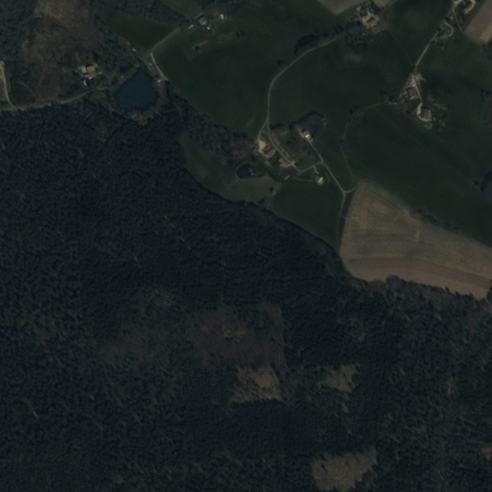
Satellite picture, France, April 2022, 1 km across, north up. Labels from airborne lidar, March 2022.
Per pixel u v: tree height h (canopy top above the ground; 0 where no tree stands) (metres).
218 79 0
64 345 15
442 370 29
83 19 0
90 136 25
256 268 23
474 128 0
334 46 0
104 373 24
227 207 20
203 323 14
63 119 27
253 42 0
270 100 0
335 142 0
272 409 30
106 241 27
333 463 0
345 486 0
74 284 30
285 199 0
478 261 0
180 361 25
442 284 0
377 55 0
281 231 15
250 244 23
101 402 30
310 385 16
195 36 0
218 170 0
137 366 20
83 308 32
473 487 32
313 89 0
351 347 21
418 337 27
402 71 0
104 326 23
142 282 24
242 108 0
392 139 0
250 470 29
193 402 18
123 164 25
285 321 14
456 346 28
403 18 0
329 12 0
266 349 9
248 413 24
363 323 18
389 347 22
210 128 20
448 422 18
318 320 16
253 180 0
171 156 27
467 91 0
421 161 0
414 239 0
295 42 0
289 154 0
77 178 26
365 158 0
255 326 18
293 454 17
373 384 22
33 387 34
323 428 13
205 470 13
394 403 21
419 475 27
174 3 0
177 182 19
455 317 26
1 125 23
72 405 30
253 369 11
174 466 22
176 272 20
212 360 7
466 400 15
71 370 33
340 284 12
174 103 26
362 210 0
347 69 0
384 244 0
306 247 20
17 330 6
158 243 20
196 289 24
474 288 0
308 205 0
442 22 0
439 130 6
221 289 22
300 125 11
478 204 0
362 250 0
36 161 26
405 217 0
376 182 0
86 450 21
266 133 0
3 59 0
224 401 22
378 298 18
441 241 0
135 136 27
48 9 0
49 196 27
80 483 22
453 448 37
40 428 16
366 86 0
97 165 28
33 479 22
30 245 28
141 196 23
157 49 0
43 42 0
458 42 0
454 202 0
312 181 0
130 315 26
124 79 18
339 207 0
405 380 24
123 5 0
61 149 27
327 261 17
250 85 0
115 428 24
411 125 0
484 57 0
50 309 31
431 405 8
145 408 28
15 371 29
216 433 27
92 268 20
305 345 17
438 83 0
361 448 19
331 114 0
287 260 25
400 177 0
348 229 0
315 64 0
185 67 0
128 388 26
